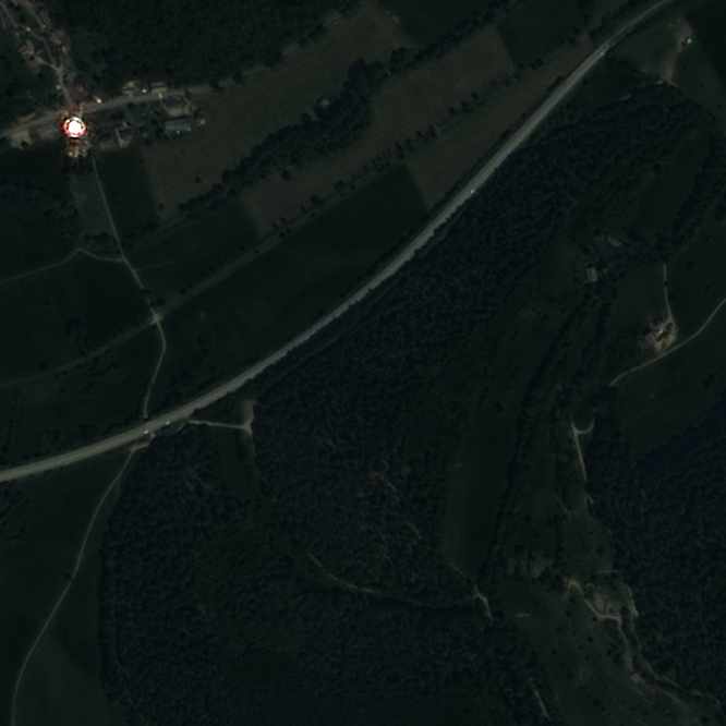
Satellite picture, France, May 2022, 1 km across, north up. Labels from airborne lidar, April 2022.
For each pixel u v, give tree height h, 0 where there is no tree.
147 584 21
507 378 0
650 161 18
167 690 19
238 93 0
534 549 0
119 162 0
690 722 0
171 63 14
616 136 15
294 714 18
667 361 0
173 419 0
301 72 0
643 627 21
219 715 19
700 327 0
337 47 0
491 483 0
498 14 19
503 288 10
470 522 0
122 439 0
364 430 7
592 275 0
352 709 17
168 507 23
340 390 12
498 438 0
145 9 15
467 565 0
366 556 16
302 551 21
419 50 0
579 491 0
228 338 0
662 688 12
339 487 21
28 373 0
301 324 0
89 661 0
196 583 8
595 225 23
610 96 0
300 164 20
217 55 16
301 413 10
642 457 0
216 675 13
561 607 0
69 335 7
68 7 15
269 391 18
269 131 0
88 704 0
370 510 17
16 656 0
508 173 21
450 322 15
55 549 0
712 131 20
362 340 10
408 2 0
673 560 18
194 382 11
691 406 0
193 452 25
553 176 22
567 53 0
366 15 0
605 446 14
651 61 0
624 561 12
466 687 14
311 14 15
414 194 0
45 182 0
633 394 0
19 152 0
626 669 0
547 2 0
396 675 26
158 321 0
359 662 29
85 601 0
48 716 0
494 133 0
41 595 0
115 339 0
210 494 6
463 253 16
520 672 22
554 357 11
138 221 0
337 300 0
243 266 0
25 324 0
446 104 0
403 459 8
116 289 0
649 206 0
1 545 0
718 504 24
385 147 0
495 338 17
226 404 8
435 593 22
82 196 0
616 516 18
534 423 20
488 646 22
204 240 0
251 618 22
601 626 0
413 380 7
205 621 16
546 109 0
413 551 17
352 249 0
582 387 24
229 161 0
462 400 17
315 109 0
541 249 11
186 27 15
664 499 19
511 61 0
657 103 7
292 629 20
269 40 9
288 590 24
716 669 25
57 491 0
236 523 24
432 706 17
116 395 0
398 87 0
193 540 8
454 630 30
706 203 24
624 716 0
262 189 0
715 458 34
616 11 0
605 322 14
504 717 19
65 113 0
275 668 17
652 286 0
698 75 0
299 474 24
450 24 0
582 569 0
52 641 0
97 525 0
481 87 0
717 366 0
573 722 0
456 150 0
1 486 11
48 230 0
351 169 0
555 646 0
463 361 13
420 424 14
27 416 0
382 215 0
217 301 0
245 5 13
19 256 0
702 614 18
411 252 0
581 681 0
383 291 12
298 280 0
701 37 0
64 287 0
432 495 19
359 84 24
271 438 23
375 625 27
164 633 24
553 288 9
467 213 7
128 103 0
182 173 0
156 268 0
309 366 12
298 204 0
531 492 0
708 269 0
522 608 7
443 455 23
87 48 0
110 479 0
